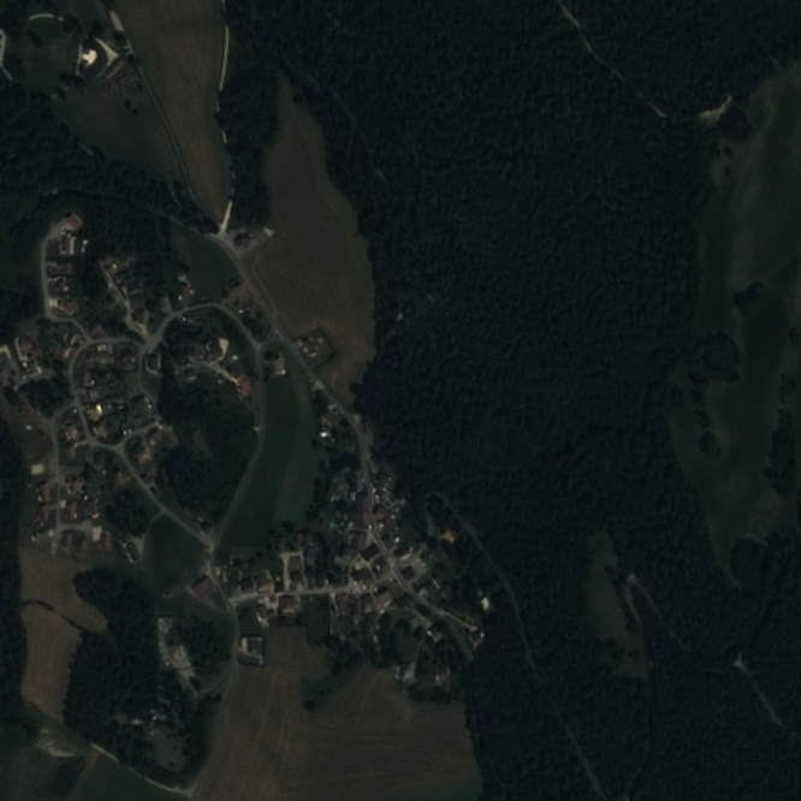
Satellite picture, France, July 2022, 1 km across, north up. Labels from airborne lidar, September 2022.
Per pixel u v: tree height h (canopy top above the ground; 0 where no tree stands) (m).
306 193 0
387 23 23
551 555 16
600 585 0
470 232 12
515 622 17
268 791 0
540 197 18
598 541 0
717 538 0
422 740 0
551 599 23
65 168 28
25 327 0
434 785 0
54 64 0
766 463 0
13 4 0
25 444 0
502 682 30
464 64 29
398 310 9
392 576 0
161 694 10
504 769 26
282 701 0
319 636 0
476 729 15
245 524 0
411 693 7
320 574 7
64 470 0
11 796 0
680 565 18
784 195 0
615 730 21
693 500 23
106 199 9
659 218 16
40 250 0
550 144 7
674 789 25
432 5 22
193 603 0
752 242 0
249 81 26
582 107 9
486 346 19
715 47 11
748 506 0
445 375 22
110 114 0
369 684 0
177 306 10
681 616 19
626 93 19
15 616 13
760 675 16
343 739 0
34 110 25
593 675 11
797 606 18
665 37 7
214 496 7
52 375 0
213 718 0
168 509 0
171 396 18
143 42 0
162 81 0
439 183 19
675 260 27
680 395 19
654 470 24
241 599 0
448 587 7
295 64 12
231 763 0
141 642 13
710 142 6
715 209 0
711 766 24
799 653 15
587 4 8
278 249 0
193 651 14
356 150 11
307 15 14
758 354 0
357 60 7
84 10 0
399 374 29
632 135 18
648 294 20
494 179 13
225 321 8
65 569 0
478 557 24
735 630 15
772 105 0
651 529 29
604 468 19
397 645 9
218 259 0
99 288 19
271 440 0
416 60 26
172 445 0
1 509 10
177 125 0
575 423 27
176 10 0
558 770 19
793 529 0
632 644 0
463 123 26
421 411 26
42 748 0
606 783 17
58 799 0
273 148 0
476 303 15
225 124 22
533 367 22
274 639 0
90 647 20
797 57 19
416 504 15
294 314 0
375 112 23
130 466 0
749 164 0
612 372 19
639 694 14
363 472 0
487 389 21
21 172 27
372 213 19
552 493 19
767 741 26
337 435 14
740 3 7
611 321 17
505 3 25
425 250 28
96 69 0
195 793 0
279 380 0
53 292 0
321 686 0
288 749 0
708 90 18
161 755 0
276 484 0
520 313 19
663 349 26
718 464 0
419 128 8
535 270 18
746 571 22
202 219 18
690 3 14
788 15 8
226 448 7
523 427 19
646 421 20
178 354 12
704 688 31
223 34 0
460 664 8
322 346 0
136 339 13
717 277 0
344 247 0
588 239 16
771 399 0
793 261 0
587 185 15
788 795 18
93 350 0
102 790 0
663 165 18
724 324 0
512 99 29
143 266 10
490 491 26
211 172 0
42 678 0
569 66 23
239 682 0
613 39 9
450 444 14
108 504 0
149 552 0
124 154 0
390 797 0
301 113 0
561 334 16
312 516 7
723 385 0
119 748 7
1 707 13
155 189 17
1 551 8
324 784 0
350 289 0
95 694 14
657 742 22
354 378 0
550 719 27
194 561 0
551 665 21
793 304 0
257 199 23
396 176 9
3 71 15
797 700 12
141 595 6
